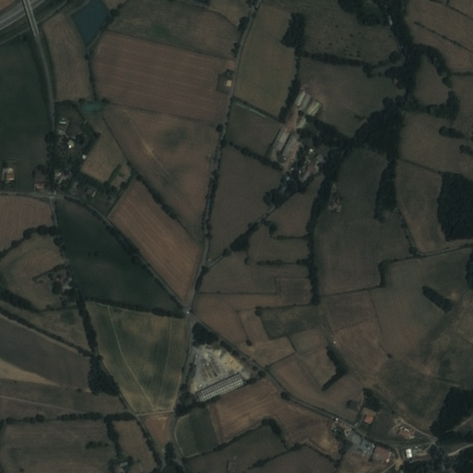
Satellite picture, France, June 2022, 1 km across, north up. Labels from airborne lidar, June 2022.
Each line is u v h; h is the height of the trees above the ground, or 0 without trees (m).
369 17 7
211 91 0
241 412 0
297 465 0
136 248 14
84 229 0
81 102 8
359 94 0
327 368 0
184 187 0
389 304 0
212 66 0
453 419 20
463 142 0
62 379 0
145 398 0
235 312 0
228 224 0
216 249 0
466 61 0
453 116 13
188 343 0
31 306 19
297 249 0
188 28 0
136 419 5
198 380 0
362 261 0
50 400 0
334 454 0
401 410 0
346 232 0
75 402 0
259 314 10
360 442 0
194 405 8
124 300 0
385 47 0
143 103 0
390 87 0
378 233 0
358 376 0
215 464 0
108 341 0
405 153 0
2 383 0
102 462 0
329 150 0
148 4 0
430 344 0
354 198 0
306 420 0
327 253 0
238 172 0
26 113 0
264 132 0
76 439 0
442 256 0
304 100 0
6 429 0
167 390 0
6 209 0
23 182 0
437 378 0
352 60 14
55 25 0
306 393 0
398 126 16
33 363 0
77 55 0
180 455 0
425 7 0
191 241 0
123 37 0
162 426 0
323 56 19
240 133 0
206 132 0
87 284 0
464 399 22
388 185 17
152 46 0
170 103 0
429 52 21
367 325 0
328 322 0
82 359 0
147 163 0
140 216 0
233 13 0
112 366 0
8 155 0
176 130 0
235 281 0
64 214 0
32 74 0
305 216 0
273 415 0
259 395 0
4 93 0
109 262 0
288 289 0
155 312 14
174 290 0
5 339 0
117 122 0
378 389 0
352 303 0
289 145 0
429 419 0
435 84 0
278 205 12
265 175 0
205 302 0
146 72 0
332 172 14
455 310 0
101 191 12
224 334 0
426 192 0
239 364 0
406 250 0
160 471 12
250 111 0
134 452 0
